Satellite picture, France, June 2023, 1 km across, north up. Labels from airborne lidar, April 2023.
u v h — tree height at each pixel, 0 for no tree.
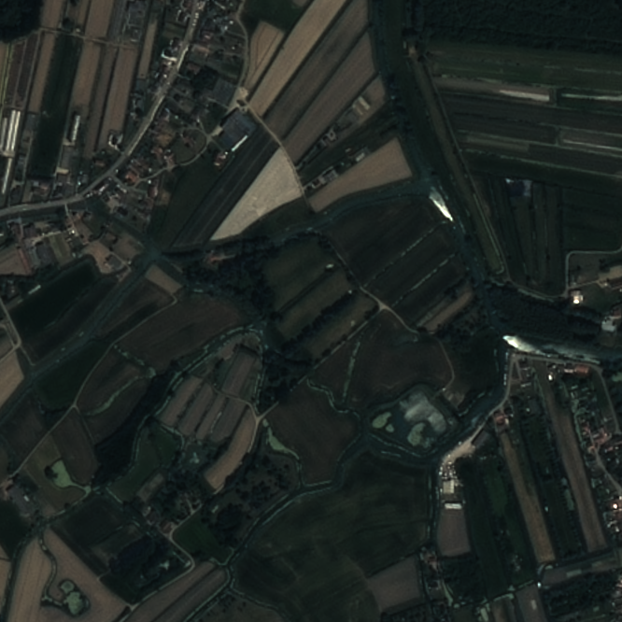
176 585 0
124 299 0
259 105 0
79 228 0
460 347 14
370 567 0
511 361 0
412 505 0
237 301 17
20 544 0
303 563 0
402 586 0
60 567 0
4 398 0
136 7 0
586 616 0
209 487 0
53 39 0
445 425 0
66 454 0
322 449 0
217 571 0
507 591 0
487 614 0
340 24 0
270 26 0
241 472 8
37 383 0
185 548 0
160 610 0
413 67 0
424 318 0
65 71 0
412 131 11
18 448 0
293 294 0
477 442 0
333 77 0
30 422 0
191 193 0
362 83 0
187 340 0
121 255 0
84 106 0
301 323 0
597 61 0
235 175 0
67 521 0
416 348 0
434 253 0
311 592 0
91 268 0
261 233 0
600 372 0
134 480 0
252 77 0
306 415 0
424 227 0
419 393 0
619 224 0
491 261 0
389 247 0
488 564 0
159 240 0
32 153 0
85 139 0
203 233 0
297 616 0
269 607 0
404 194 0
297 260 0
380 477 0
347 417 0
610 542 0
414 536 0
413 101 0
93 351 0
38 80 0
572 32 6
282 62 0
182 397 0
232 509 11
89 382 0
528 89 0
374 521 0
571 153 0
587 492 0
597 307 0
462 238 0
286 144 0
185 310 0
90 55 0
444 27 8
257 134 0
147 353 0
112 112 0
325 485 0
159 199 0
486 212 0
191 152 0
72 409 0
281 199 0
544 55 0
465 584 7
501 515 0
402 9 0
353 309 0
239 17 0
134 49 0
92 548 0
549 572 0
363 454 0
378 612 0
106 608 0
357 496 0
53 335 0
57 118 0
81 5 0
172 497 11
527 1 6
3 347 0
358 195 0
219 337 0
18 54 0
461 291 0
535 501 0
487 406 0
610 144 0
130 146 0
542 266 0
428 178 0
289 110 0
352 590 0
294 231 0
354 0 0
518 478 0
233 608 0
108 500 0
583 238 0
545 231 0
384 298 0
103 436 0
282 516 0
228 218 0
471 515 0
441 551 0
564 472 0
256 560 0
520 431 0
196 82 8
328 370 0
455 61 0
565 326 18
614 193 0
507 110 0
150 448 0
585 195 0
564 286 0
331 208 0
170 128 0
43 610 0
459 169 0
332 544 0
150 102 0
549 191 0
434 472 0
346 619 0
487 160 0
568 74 0
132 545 0
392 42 0
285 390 23
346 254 0
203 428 0
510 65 0
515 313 15
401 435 0
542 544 0
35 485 0
